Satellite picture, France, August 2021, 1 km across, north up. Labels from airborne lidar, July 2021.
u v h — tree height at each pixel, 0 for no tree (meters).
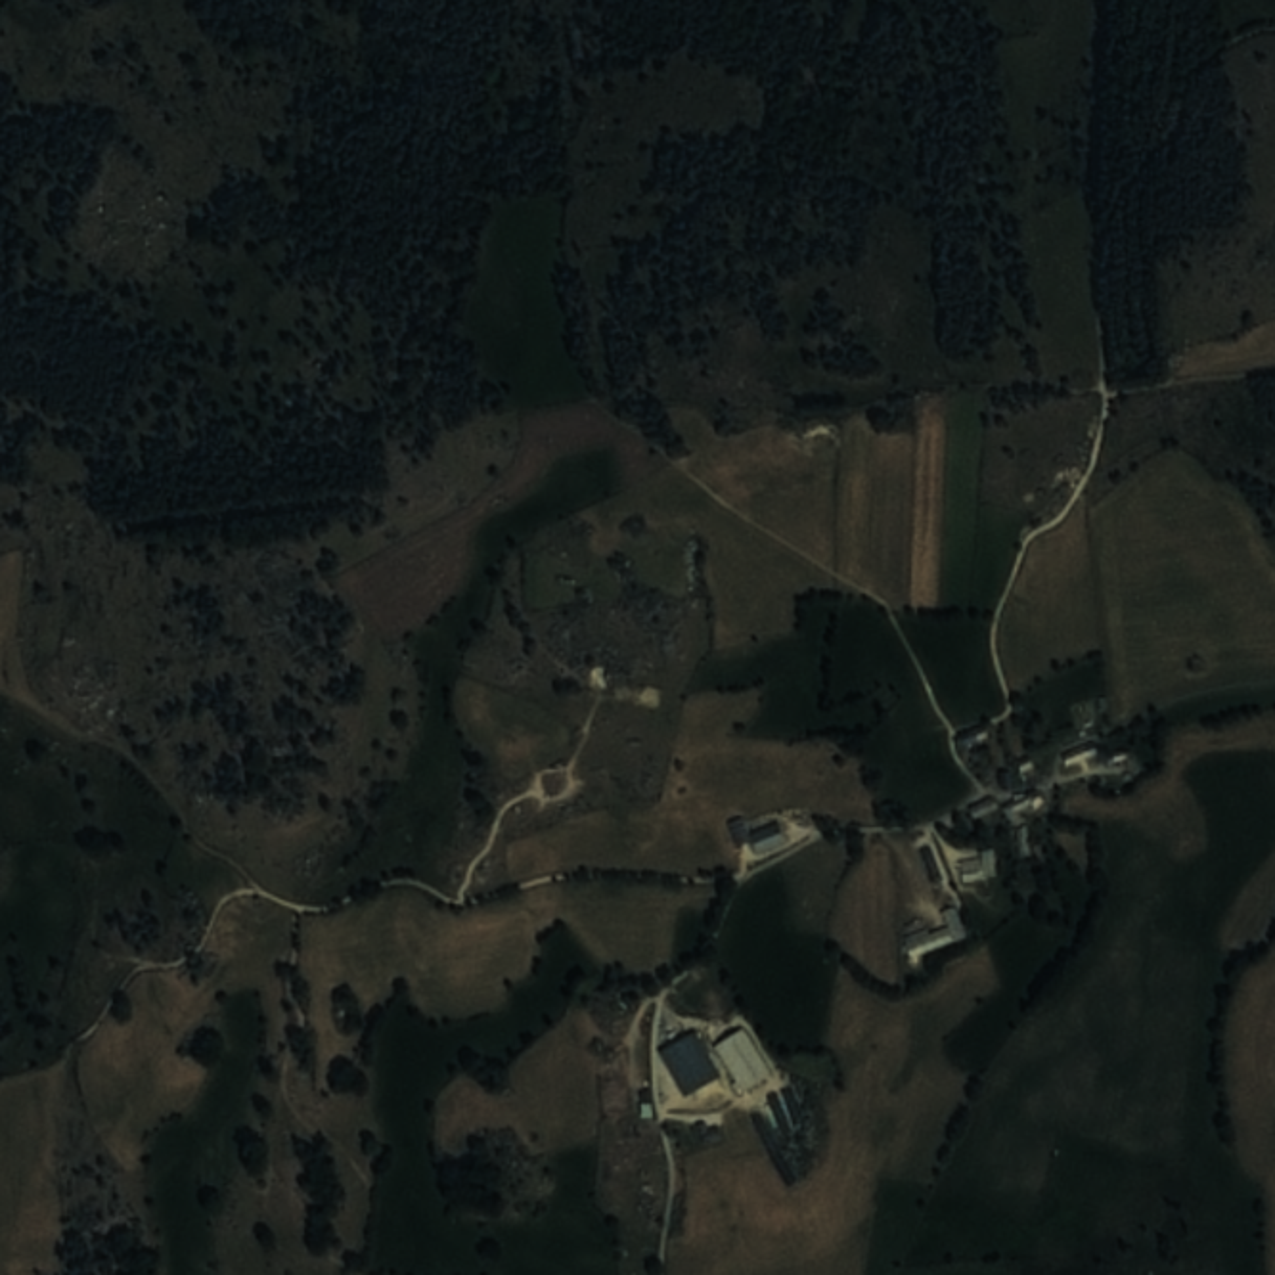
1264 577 0
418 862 0
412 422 7
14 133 15
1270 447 0
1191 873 0
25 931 0
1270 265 0
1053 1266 0
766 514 0
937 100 14
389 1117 0
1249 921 0
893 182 0
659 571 0
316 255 18
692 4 15
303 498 16
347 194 11
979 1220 0
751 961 0
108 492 10
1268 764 0
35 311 12
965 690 0
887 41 19
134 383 15
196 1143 0
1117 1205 0
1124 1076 0
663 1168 0
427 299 18
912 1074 0
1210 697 0
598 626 0
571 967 0
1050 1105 0
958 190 19
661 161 12
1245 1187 0
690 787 0
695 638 0
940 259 14
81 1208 0
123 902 0
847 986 0
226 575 0
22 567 0
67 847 0
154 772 0
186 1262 0
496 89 7
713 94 0
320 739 11
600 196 0
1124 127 24
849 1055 0
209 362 12
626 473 0
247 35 15
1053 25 0
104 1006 0
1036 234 0
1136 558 0
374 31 18
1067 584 0
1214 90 18
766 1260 0
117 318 13
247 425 12
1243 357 0
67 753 0
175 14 0
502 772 0
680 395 0
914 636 0
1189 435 0
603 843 0
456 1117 0
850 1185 0
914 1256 0
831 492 0
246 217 18
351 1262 14
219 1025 0
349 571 0
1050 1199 0
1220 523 0
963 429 0
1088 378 0
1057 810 7
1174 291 0
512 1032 0
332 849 0
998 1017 0
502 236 0
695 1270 0
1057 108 0
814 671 0
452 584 0
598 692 0
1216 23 13
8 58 0
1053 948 0
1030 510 0
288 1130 0
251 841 0
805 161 21
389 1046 0
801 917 0
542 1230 0
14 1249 0
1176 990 0
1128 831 0
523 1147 0
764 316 13
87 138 13
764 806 0
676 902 0
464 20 15
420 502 0
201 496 18
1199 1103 0
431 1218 0
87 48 0
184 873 0
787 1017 0
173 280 0
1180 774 0
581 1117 0
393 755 12
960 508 0
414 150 18
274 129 0
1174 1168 0
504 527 0
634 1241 0
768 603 0
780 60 11
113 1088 0
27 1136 0
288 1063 0
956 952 12
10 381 16
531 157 12
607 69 12
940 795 0
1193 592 0
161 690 0
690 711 0
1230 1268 0
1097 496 0
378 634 0
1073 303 0
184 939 0
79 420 15
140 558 0
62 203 18
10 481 14
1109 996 0
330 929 0
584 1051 0
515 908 0
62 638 0
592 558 0
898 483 0
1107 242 17
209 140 0
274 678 0
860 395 0
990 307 6
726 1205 0
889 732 0
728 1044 0
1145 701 0
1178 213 16
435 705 0
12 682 0
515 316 0
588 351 16
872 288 0
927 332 0
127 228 0
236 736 12
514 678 0
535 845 0
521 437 0
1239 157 15
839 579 0
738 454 0
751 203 13
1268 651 0
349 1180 0
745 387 0
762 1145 0
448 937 0
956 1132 13
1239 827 0
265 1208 0
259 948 0
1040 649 0
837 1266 0
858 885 0
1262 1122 0
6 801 0
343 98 15
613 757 0
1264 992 0
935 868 0
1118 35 17
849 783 0
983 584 0
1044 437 0
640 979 6
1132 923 0
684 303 16
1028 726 9
